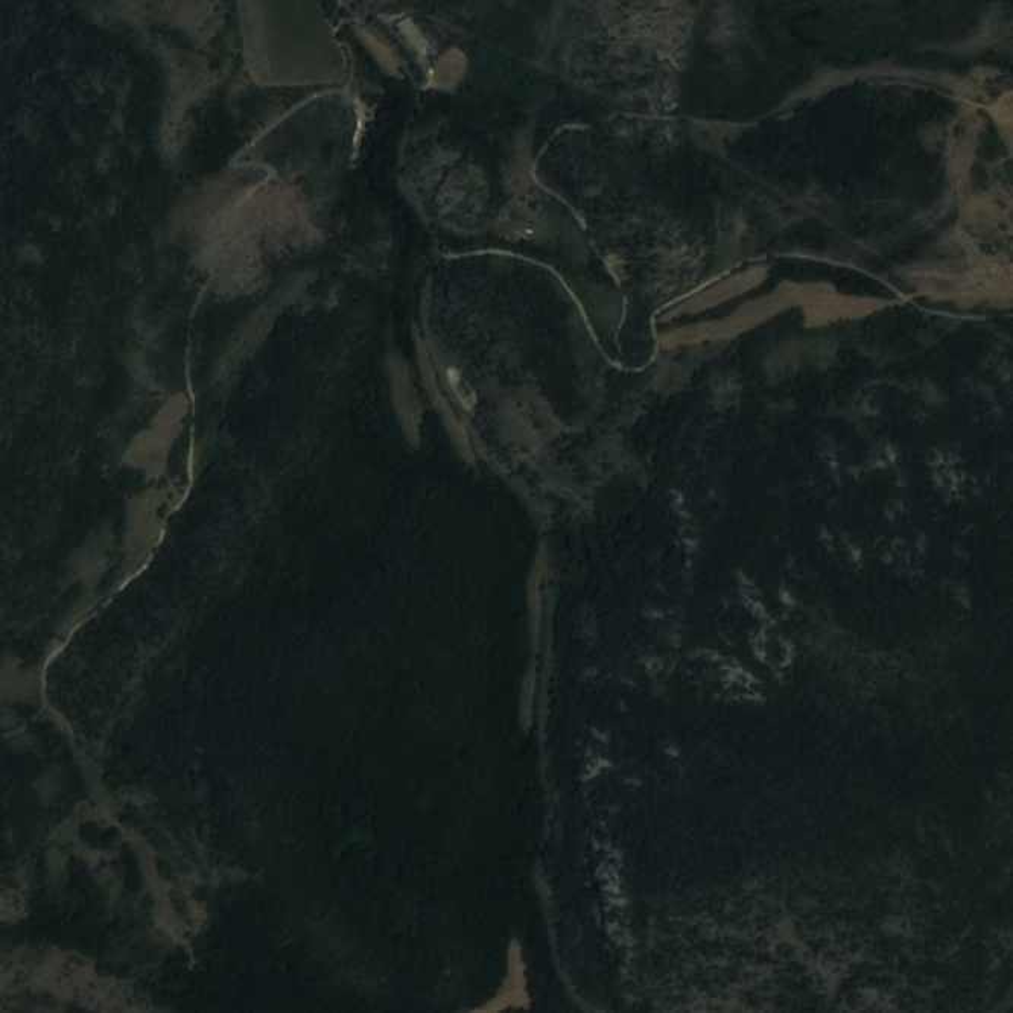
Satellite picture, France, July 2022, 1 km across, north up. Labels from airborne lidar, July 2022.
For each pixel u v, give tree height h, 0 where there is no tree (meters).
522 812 16
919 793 6
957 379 7
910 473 6
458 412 0
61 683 6
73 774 8
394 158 13
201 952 9
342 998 14
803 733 7
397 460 14
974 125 0
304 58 0
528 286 9
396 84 11
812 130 10
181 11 0
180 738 10
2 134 8
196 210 0
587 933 8
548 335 7
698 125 0
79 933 12
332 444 10
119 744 6
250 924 12
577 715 8
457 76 0
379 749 20
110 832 6
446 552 9
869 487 6
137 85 8
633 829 6
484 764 18
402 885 12
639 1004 6
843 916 8
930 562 5
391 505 16
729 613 6
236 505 7
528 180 0
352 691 11
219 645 9
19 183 6
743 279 0
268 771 12
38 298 6
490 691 18
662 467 7
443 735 17
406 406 0
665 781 5
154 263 8
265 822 9
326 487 9
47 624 7
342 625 6
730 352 5
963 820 6
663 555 10
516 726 7
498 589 14
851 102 9
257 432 7
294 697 10
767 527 8
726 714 7
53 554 9
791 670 7
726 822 6
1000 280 0
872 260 7
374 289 8
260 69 0
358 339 6
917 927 6
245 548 6
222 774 9
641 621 5
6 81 7
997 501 6
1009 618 6
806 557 7
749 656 6
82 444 6
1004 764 6
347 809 17
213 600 8
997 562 9
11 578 8
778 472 11
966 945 6
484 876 18
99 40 9
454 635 14
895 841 5
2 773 8
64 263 6
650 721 6
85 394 7
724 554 7
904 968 7
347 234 5
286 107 6
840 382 7
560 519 6
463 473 8
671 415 10
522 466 6
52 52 9
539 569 0
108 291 6
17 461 8
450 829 16
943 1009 6
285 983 19
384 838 11
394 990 11
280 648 16
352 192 6
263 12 0
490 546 13
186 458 0
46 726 8
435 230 8
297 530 8
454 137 10
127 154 7
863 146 9
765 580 7
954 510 6
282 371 6
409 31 0
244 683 8
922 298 6
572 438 7
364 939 11
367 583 7
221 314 7
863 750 6
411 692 11
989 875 8
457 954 13
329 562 15
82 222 7
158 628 6
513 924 15
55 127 6
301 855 15
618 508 8
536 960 16
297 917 8
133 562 0
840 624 5
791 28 6
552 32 0
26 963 0
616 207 6
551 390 9
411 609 12
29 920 10
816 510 7
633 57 6
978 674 6
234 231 0
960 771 7
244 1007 14
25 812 6
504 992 0
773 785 7
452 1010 14
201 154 7
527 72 7
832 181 9
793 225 6
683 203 6
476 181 0
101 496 7
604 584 12
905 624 5
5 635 6
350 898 12
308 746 16
